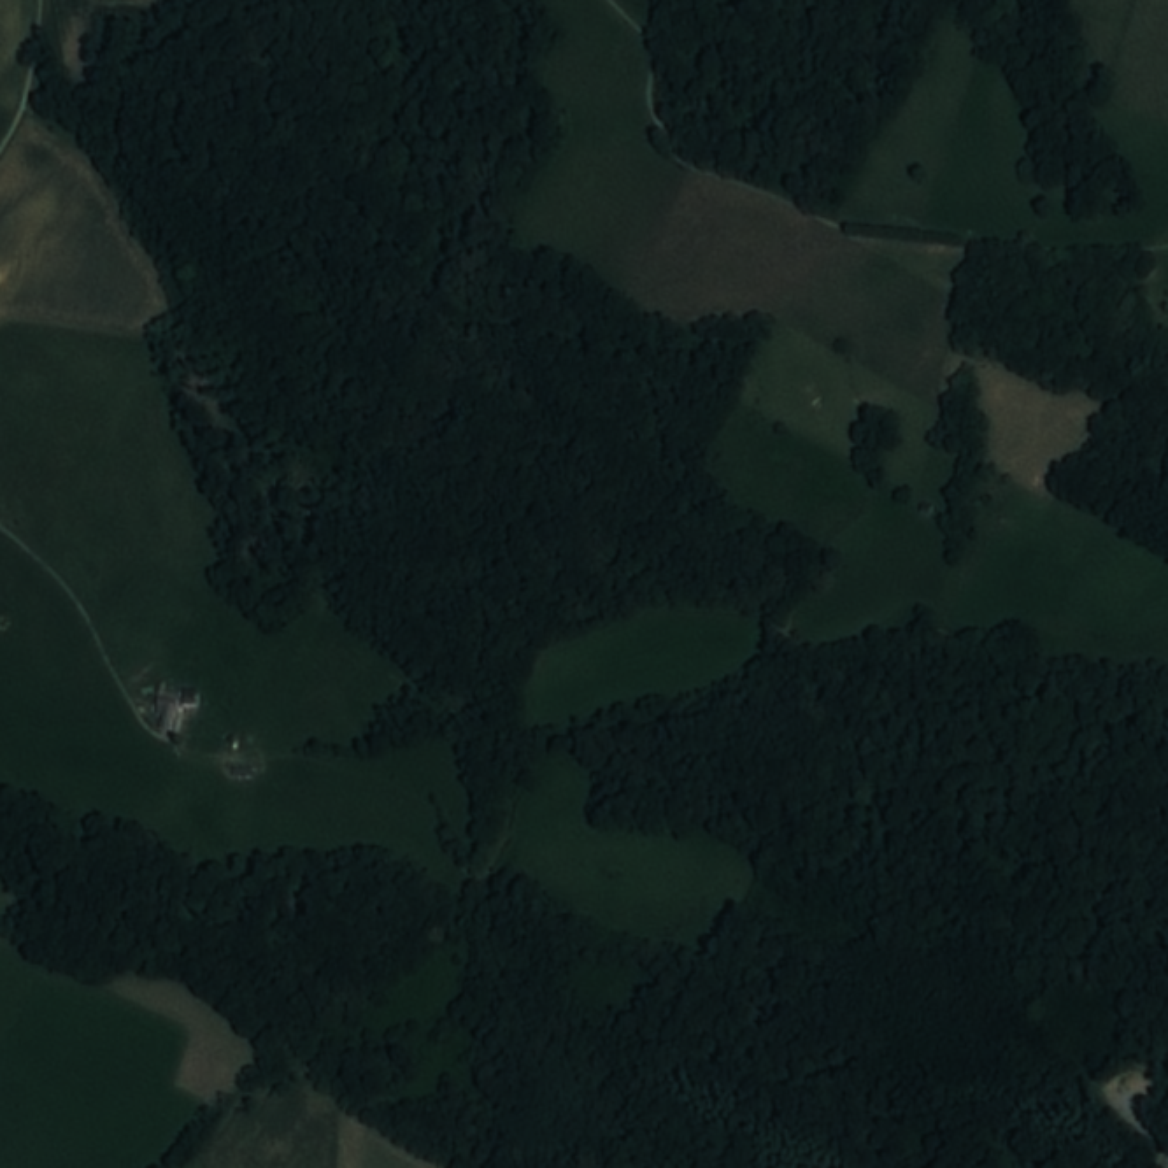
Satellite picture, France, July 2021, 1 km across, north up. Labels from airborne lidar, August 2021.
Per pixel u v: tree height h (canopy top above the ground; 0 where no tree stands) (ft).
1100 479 80
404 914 95
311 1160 0
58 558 0
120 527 0
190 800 0
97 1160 0
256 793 0
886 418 73
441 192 75
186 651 0
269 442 118
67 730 0
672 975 65
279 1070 62
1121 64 0
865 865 37
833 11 37
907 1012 71
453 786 0
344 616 57
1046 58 74
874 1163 88
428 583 80
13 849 99
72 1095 0
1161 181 0
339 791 0
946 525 70
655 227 0
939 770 82
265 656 0
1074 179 75
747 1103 80
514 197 65
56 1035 0
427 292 74
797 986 83
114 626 0
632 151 0
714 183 0
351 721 0
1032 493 0
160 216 75
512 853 0
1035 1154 110
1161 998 110
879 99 75
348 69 73
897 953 73
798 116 85
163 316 23
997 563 0
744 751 93
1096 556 0
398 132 61
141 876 76
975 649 87
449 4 89
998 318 49
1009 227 0
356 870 82
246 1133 0
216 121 81
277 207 87
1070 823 95
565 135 28
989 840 69
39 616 0
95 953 102
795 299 0
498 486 43
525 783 73
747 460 0
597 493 57
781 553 95
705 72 80
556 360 92
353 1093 64
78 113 91
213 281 54
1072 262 47
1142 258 63
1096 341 44
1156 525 89
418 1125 63
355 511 50
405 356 102
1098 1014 23
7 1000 0
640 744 69
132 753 0
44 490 0
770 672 75
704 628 0
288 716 0
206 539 0
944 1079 89
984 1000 58
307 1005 78
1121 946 109
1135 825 88
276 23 61
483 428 90
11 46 0
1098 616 0
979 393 47
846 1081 114
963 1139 116
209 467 89
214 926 101
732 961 96
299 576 92
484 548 46
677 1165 114
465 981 22
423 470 83
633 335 84
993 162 0
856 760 100
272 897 100
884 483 68
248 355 42
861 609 0
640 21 0
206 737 0
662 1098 84
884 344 0
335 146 96
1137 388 58
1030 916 99
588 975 0
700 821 39
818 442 0
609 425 70
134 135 83
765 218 0
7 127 0
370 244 75
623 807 83
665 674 0
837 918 23
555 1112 61
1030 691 95
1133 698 99
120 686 0
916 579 0
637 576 82
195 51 92
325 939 107
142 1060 0
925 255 0
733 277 0
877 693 102
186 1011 0
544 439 46
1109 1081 96
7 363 0
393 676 0
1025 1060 66
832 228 0
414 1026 39
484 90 95
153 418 0
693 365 77
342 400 78
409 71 26
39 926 91
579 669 0
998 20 67
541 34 71
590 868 0
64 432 0
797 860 61
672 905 0
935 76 0
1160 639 0
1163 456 33
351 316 56
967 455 56
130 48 96
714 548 93
